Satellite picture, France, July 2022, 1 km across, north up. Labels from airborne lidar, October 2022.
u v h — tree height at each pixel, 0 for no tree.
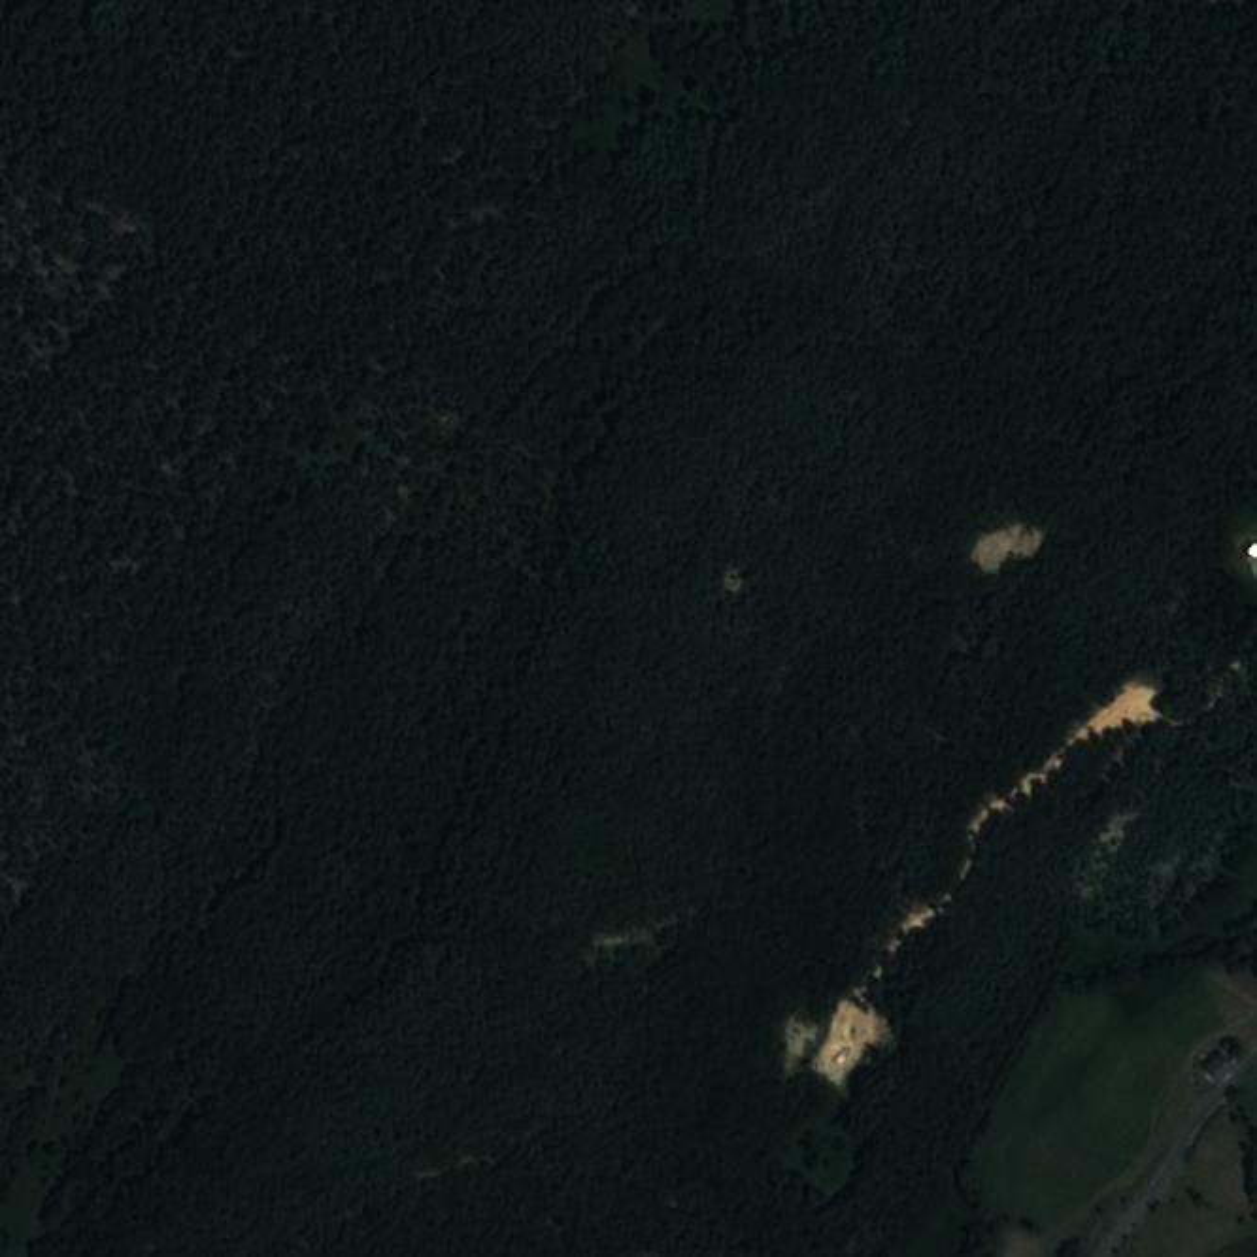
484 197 18
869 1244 18
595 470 28
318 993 26
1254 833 12
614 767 18
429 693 14
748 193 19
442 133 20
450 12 17
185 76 20
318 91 14
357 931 19
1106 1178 0
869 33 30
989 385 26
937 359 23
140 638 19
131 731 20
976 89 22
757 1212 32
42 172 21
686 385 21
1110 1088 0
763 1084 22
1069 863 19
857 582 21
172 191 23
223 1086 19
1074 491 28
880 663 33
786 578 19
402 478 8
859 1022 0
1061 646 19
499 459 8
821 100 14
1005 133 19
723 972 19
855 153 20
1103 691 24
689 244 15
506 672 12
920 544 19
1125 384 28
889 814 31
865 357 25
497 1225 21
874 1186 19
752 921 15
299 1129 21
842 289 18
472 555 13
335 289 19
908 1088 23
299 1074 18
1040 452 27
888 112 21
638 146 22
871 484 19
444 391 20
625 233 21
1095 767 22
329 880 18
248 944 22
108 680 20
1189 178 26
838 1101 0
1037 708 26
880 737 29
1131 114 24
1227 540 20
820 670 24
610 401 24
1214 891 25
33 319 22
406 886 19
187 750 20
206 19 20
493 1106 14
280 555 19
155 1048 17
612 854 16
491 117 16
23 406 16
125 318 24
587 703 20
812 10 25
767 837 16
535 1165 18
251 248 17
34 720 11
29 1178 0
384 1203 8
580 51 13
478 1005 24
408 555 24
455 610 15
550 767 18
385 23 20
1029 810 21
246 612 24
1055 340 21
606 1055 15
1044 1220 0
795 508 9
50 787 10
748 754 15
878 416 19
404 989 26
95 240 24
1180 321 26
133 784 19
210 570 19
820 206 19
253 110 15
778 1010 16
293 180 23
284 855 16
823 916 22
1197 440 27
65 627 21
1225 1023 0
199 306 19
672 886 11
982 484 23
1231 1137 0
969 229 16
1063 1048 0
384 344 14
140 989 22
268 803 23
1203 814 11
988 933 14
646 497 20
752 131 18
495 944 18
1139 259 22
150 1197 22
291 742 16
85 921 16
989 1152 0
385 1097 13
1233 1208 0
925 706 22
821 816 23
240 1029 22
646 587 16
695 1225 28
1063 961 18
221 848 17
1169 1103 0
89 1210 21
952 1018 16
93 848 17
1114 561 26
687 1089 20
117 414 27
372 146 20
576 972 13
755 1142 24
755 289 16
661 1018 19
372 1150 14
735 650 9
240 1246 16
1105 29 20
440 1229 16
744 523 17
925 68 25
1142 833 11
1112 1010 0
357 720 10
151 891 16
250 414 13
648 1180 23
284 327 14
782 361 18
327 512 16
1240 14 27
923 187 12
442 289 24
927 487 18
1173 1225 0
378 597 21
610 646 17
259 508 26
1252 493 15
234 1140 23
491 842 24
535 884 18
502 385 16
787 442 11
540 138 17
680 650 18
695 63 14
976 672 27
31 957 18
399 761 21
